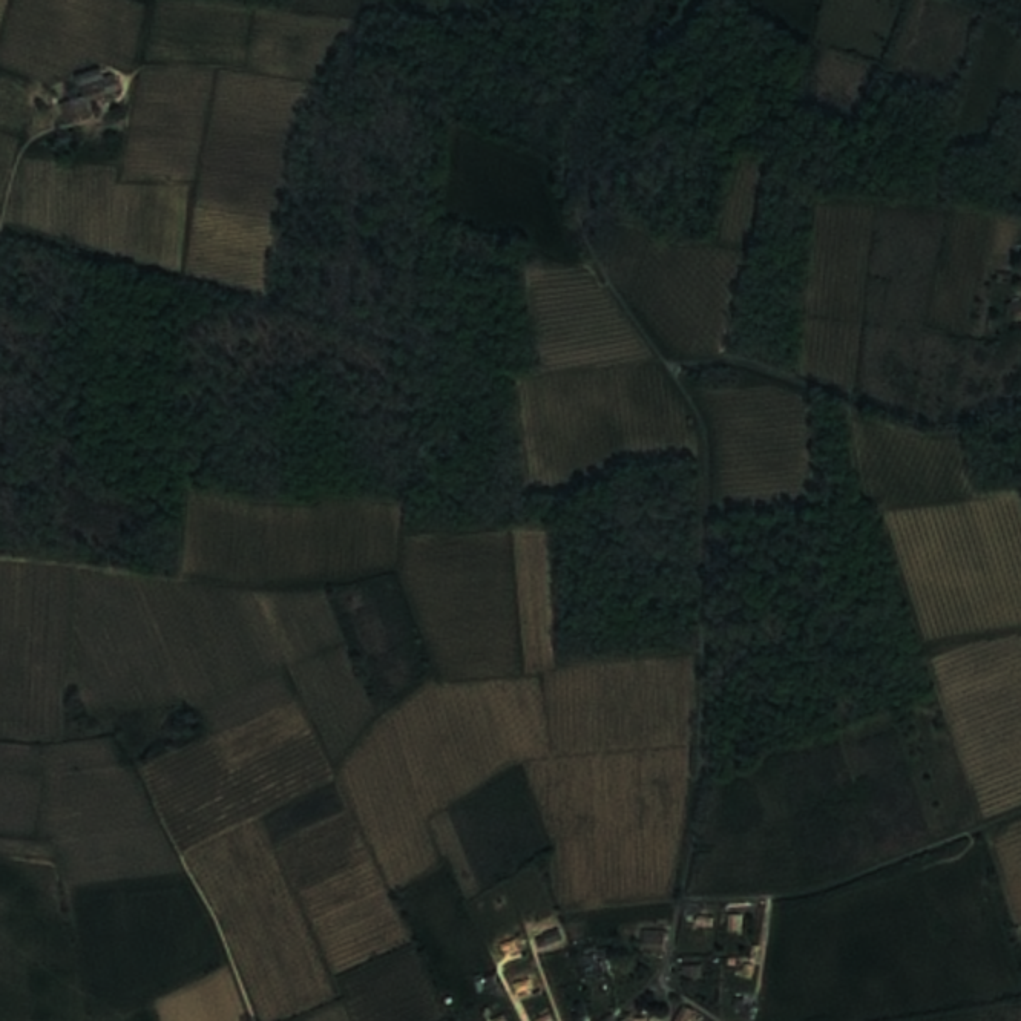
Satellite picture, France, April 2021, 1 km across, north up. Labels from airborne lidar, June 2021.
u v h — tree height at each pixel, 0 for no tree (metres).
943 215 0
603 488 20
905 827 0
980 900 0
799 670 19
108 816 0
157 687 0
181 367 15
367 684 6
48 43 0
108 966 0
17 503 16
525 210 0
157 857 0
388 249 20
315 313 15
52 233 0
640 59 23
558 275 0
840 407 17
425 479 24
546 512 20
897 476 0
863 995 0
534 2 21
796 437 0
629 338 0
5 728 0
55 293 17
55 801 0
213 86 0
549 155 15
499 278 23
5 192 0
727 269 0
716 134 24
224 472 19
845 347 0
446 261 18
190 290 13
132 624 0
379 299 18
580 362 0
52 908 0
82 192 0
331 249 16
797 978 0
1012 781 0
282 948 0
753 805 0
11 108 0
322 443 21
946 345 0
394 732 0
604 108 23
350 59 13
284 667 0
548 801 0
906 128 19
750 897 0
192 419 19
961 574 0
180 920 0
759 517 14
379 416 13
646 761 0
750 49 24
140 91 0
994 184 17
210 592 0
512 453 20
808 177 22
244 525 0
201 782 0
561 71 25
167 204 0
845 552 21
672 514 21
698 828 17
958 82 12
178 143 0
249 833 0
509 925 0
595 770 0
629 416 0
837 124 28
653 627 22
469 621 0
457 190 0
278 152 0
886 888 0
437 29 19
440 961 0
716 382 11
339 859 0
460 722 0
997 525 0
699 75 26
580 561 21
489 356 27
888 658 20
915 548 0
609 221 15
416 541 0
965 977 0
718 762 16
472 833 0
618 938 11
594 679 0
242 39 0
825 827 0
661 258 0
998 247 0
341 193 21
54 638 0
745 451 0
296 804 0
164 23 0
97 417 24
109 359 26
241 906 0
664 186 20
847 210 0
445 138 15
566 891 0
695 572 20
